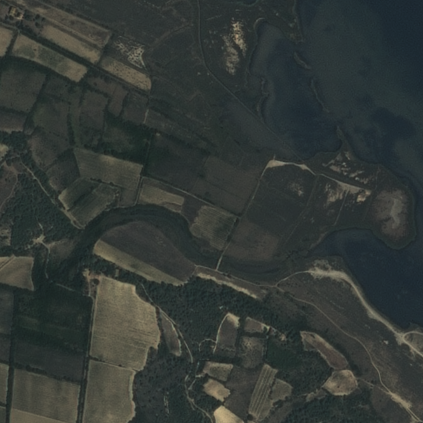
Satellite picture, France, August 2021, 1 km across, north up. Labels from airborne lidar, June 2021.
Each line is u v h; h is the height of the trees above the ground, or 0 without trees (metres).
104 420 0
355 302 0
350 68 0
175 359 10
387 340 0
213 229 0
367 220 0
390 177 0
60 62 0
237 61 0
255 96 0
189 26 0
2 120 0
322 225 0
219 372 0
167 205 0
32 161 15
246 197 0
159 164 0
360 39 0
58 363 0
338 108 0
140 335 0
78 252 6
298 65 0
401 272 0
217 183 0
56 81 0
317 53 0
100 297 0
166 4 0
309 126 0
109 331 0
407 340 0
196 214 0
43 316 8
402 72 0
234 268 0
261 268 0
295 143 0
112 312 0
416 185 0
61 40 0
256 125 0
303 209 0
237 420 0
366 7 0
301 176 0
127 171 0
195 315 6
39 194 7
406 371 0
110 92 0
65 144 0
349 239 0
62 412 0
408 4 0
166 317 0
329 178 0
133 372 0
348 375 0
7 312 0
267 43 0
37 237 7
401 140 0
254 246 0
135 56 0
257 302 7
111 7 0
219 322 6
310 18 0
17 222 10
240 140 0
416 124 0
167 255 0
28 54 0
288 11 0
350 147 0
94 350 0
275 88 0
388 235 0
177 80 0
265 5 0
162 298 7
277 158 0
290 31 0
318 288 0
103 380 0
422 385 0
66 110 0
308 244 0
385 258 0
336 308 0
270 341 8
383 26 0
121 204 0
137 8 0
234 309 9
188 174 0
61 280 9
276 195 0
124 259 0
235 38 0
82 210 0
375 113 0
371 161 0
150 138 5
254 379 0
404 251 0
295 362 5
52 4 0
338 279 0
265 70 0
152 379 7
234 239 0
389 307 0
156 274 0
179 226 0
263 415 0
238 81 0
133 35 0
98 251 0
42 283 10
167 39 0
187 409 10
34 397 0
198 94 0
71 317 6
